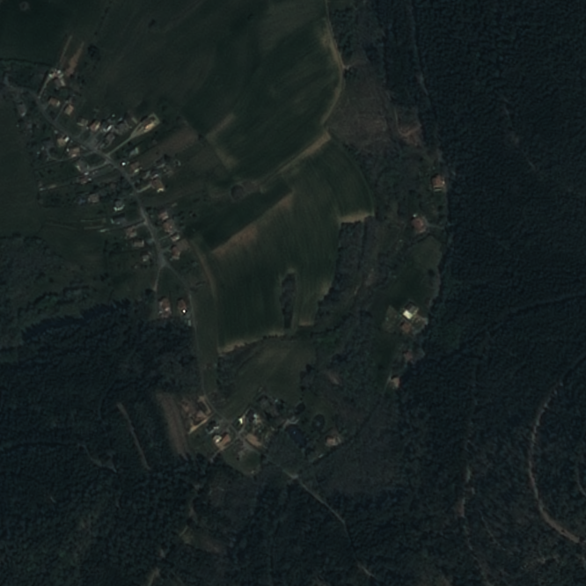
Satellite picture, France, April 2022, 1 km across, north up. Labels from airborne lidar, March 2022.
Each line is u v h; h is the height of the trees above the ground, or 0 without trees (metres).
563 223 18
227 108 0
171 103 0
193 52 0
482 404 11
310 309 0
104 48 0
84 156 0
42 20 0
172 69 0
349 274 19
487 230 24
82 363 20
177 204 0
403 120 18
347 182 0
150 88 0
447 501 13
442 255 0
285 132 0
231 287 0
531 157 19
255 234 0
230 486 9
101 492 32
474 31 25
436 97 23
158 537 29
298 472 14
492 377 11
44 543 24
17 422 16
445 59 27
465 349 15
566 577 15
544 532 14
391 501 36
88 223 0
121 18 0
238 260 0
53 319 0
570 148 19
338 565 34
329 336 12
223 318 0
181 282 0
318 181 0
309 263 0
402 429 11
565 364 17
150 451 21
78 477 21
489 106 26
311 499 16
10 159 0
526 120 25
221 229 0
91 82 0
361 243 16
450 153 21
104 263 0
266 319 0
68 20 0
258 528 13
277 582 23
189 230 0
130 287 0
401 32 31
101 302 0
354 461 15
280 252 0
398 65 7
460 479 16
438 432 25
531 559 29
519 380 11
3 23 0
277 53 0
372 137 0
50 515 15
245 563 11
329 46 0
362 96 0
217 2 0
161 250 0
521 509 32
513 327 21
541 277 25
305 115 0
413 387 20
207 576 16
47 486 22
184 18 0
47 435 18
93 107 0
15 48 0
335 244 0
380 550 33
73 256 0
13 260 15
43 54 0
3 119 0
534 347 20
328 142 0
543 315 23
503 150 23
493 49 26
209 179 0
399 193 16
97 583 22
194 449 0
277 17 0
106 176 0
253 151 0
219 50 0
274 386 0
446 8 27
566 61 17
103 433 20
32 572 27
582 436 12
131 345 11
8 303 12
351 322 20
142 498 17
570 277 22
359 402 21
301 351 0
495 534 32
